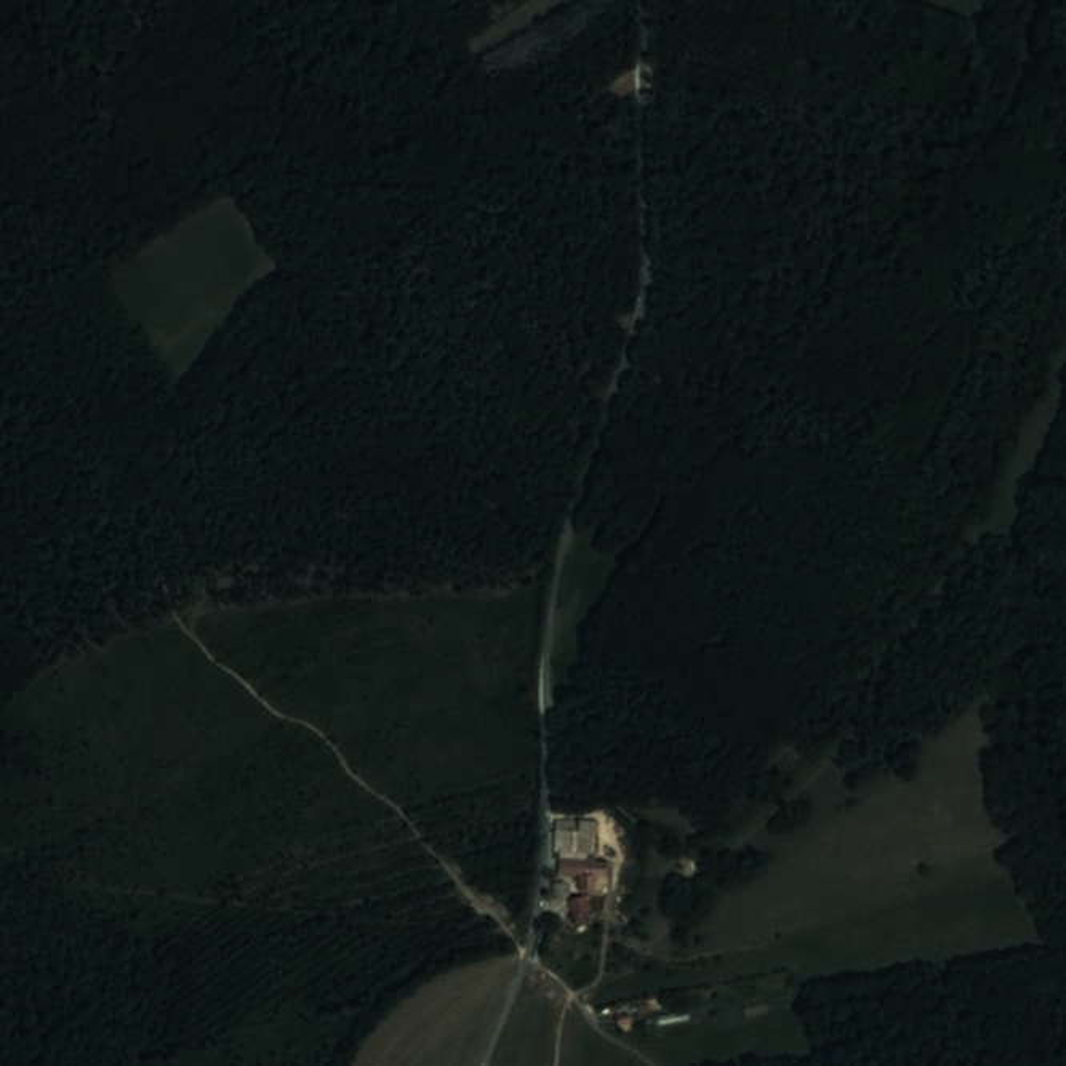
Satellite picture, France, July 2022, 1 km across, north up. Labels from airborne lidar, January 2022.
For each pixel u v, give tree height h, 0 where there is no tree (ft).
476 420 78
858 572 41
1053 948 26
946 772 0
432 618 0
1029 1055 87
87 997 79
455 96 69
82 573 87
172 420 87
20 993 86
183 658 0
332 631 0
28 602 73
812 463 50
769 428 88
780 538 40
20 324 60
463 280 92
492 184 62
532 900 0
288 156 27
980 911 0
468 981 0
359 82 96
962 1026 77
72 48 74
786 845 0
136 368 61
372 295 77
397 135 38
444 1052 0
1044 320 71
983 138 57
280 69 40
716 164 76
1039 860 40
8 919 57
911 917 0
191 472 77
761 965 0
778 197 81
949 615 72
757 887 0
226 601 74
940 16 75
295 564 72
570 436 72
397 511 69
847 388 27
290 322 75
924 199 38
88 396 57
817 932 0
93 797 0
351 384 81
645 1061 0
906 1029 94
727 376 83
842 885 0
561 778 51
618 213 53
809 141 88
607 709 73
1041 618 88
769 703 41
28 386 56
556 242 73
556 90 59
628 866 0
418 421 81
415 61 73
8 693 56
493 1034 0
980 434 110
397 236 71
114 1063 74
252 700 0
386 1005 57
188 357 0
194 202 59
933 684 32
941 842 0
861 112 80
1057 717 100
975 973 83
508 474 73
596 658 50
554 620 0
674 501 82
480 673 0
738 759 54
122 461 72
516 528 83
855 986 80
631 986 0
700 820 47
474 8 44
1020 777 73
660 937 0
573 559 0
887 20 102
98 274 47
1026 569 92
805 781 0
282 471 72
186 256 0
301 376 77
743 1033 0
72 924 49
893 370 28
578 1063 0
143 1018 75
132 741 0
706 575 65
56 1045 101
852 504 58
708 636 40
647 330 56
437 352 81
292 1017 0
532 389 76
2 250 74
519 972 0
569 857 0
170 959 47
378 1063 0
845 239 73
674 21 38
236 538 88
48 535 66
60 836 0
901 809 0
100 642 86
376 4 48
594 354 65
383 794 0
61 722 0
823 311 93
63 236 51
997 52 94
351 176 69
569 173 78
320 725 0
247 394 85
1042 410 0
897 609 89
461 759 0
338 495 64
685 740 60
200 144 54
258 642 0
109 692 0
